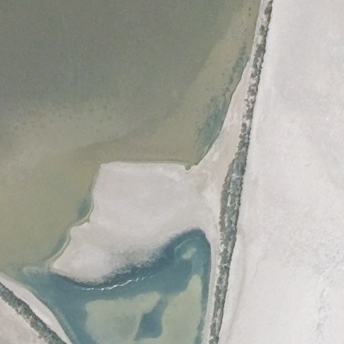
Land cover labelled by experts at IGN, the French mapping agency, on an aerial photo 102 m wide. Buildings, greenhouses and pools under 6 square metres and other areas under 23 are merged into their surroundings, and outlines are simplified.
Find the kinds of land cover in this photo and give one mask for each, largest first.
<instances>
[{"label":"pervious surface","instance_id":"1","mask_svg":"<svg viewBox=\"0 0 344 344\"><path fill-rule=\"evenodd\" d=\"M269 0H261L249 62L243 70L241 82L232 94L219 137L207 155L191 169H185L183 164L173 163L116 161L102 164L93 188V207L89 222L70 228L69 245L64 247L62 255L52 263V270L56 274L66 275L77 281L102 282L103 277L116 274L120 267L141 266L146 261H155L156 257H159L160 247L167 245L172 238L185 231L199 228L206 234L211 246L208 301L202 297V279L199 275H192L187 289L169 300L161 317V335L141 340H134V337L140 328L142 314L153 309L159 301V293L150 292L137 294L133 298L87 302L86 331L97 344H210L216 285L224 249L219 224L220 198L228 167L235 159L241 142L242 117L247 112L246 98L250 85L255 82L254 78H251L254 71V56L261 44V27L266 21L265 11ZM218 344H344V0H274L261 82L255 102L238 231L231 259ZM0 282L17 298L27 302L32 312L46 322L47 327L66 344H73L46 305L23 285L11 281L0 273ZM0 344H48L35 328L31 327L26 316L16 313L13 306L0 297Z\"/></svg>","mask_w":344,"mask_h":344},{"label":"water","instance_id":"2","mask_svg":"<svg viewBox=\"0 0 344 344\"><path fill-rule=\"evenodd\" d=\"M261 0H0V273L11 281L23 285L46 305L73 344H97L86 331L87 302L133 298L137 294L150 292L159 293V301L153 309L142 314L140 328L134 337V340H141L161 335V317L169 300L187 289L192 275H199L202 279V297L208 301L211 246L206 234L199 228L185 231L172 238L167 245L160 247L159 257H156L155 261H146L141 266L120 267L116 274L103 277L102 282L77 281L66 275L56 274L52 270V263L62 255L64 247L69 245L70 228L89 222L93 207V188L102 164L116 161L173 163L183 164L185 169H191L207 155L219 137L232 94L241 82L243 70L249 62Z\"/></svg>","mask_w":344,"mask_h":344},{"label":"brushwood","instance_id":"3","mask_svg":"<svg viewBox=\"0 0 344 344\"><path fill-rule=\"evenodd\" d=\"M274 0H269L265 11L266 21L261 27V44L254 56V71L251 78H254L255 82L250 85L246 98L247 112L242 117L241 142L235 159L228 167L220 198L219 224L224 249L216 285L210 344H218L231 259L238 231L255 102L261 82ZM0 297L13 306L16 313L26 316L31 327L35 328L48 344H66L47 327L46 322L32 312L27 302L17 298L0 282Z\"/></svg>","mask_w":344,"mask_h":344}]
</instances>
